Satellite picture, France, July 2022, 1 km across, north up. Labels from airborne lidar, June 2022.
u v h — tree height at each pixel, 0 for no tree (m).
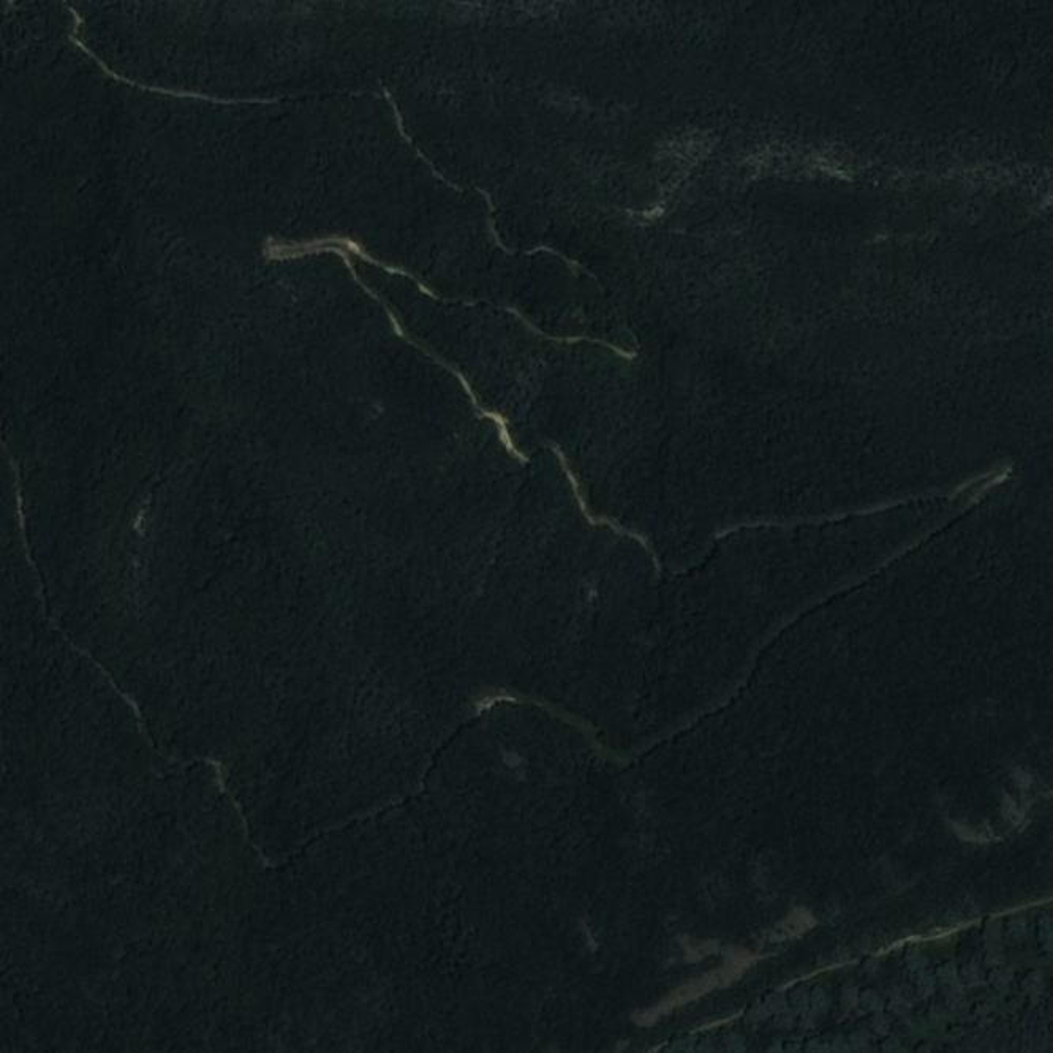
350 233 8
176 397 11
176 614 13
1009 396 9
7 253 12
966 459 7
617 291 12
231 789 10
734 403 10
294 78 12
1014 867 17
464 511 8
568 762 16
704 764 14
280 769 10
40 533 15
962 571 12
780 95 7
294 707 13
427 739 12
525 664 12
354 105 11
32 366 15
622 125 6
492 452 8
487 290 12
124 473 13
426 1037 11
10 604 16
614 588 8
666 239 11
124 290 13
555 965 10
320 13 7
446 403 12
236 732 9
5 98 11
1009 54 12
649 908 9
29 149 13
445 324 14
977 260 7
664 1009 0
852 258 8
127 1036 17
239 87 8
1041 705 13
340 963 11
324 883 11
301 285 7
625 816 8
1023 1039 13
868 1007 15
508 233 13
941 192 9
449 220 11
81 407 13
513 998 12
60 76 15
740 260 6
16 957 9
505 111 9
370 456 11
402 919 14
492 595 8
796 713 13
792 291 10
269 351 6
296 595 13
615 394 13
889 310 9
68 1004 9
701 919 7
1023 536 9
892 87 9
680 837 12
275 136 11
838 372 12
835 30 5
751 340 10
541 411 10
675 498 13
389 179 14
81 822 9
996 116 7
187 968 15
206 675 14
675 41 10
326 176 10
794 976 15
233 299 9
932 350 10
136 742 16
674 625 19
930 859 9
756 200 9
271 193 11
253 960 10
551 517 6
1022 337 9
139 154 7
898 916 14
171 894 14
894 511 8
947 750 9
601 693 12
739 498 10
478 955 14
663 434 10
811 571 14
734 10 9
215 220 9
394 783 12
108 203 13
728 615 12
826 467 7
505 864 12
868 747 13
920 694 10
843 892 12
